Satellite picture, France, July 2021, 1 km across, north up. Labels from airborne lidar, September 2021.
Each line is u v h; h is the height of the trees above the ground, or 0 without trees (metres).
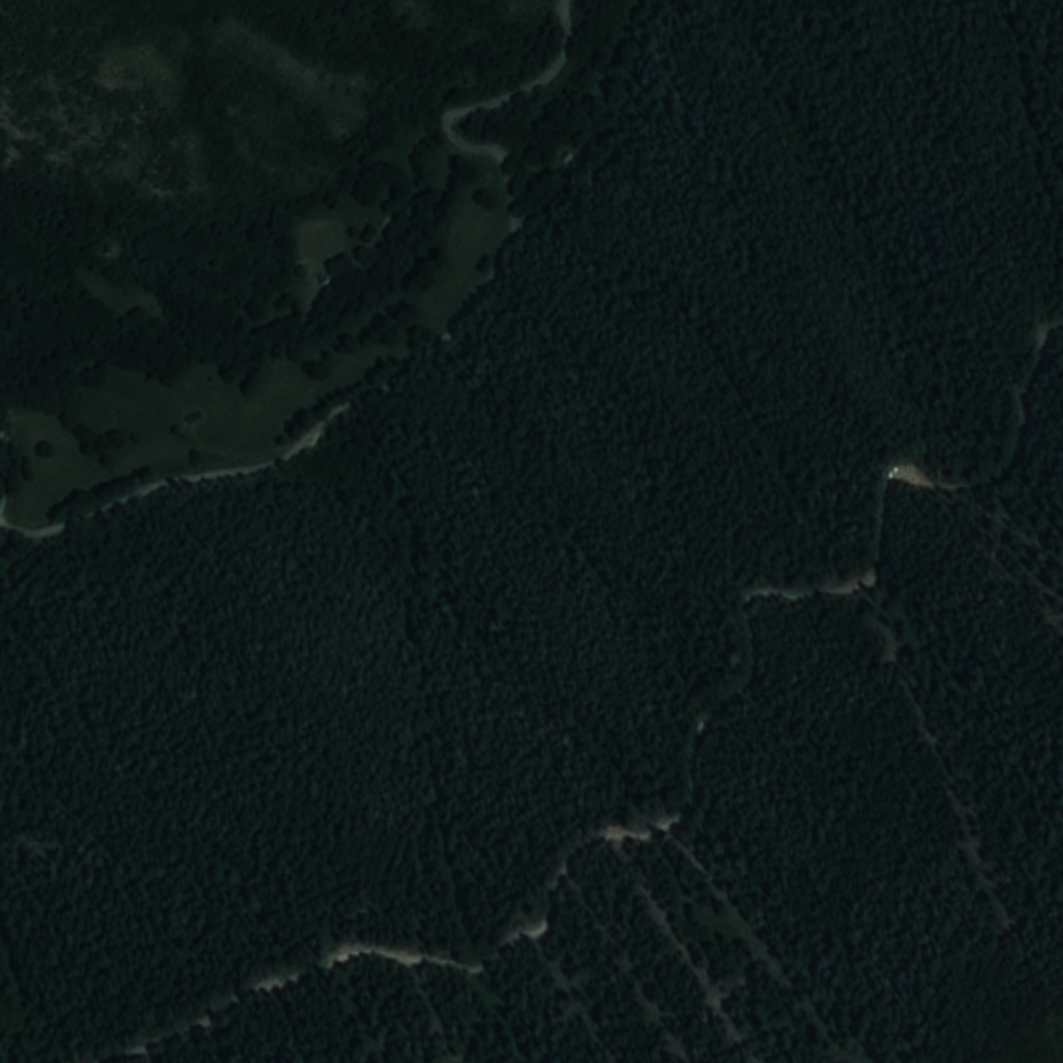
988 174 22
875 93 13
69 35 12
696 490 19
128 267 7
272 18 13
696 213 13
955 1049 11
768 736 13
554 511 15
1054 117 25
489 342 20
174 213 16
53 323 16
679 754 16
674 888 22
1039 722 17
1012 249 18
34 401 22
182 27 7
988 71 23
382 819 14
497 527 15
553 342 16
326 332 23
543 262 10
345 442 10
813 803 10
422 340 21
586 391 19
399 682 17
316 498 11
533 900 8
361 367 0
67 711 11
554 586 11
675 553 21
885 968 23
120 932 27
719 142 20
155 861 22
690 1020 16
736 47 23
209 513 11
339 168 9
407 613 9
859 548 25
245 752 22
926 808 8
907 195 15
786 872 20
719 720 9
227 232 19
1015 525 14
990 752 16
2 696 17
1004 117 22
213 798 26
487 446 19
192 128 9
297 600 13
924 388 12
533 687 13
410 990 17
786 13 21
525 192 18
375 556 8
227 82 7
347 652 18
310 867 14
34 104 10
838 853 15
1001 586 8
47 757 26
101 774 21
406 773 28
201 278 20
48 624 15
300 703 19
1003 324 20
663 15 37
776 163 14
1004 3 12
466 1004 10
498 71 17
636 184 19
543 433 17
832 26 25
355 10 21
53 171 17
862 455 15
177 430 10
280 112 6
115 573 17
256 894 20
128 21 7
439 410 17
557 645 17
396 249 23
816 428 13
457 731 20
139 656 19
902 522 14
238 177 10
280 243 19
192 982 15
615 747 14
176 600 13
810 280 11
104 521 15
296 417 0
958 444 27
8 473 14
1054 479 21
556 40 15
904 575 19
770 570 14
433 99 17
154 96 10
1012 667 16
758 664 11
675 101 26
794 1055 28
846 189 13
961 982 17
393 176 25
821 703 15
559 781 12
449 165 0
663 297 21
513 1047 31
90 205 12
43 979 20
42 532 0
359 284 25
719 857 17
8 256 17
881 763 13
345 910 20
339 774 16
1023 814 12
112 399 0
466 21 10
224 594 15
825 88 12
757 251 22
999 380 17
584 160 11
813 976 8
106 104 8
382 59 9
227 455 0
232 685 25
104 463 12
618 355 15
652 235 22
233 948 25
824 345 13
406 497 8
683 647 20
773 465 10
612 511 13
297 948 20
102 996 21
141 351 19
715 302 23
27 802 20
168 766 25
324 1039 19
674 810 6
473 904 23
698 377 16
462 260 0
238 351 25
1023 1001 15
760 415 27
